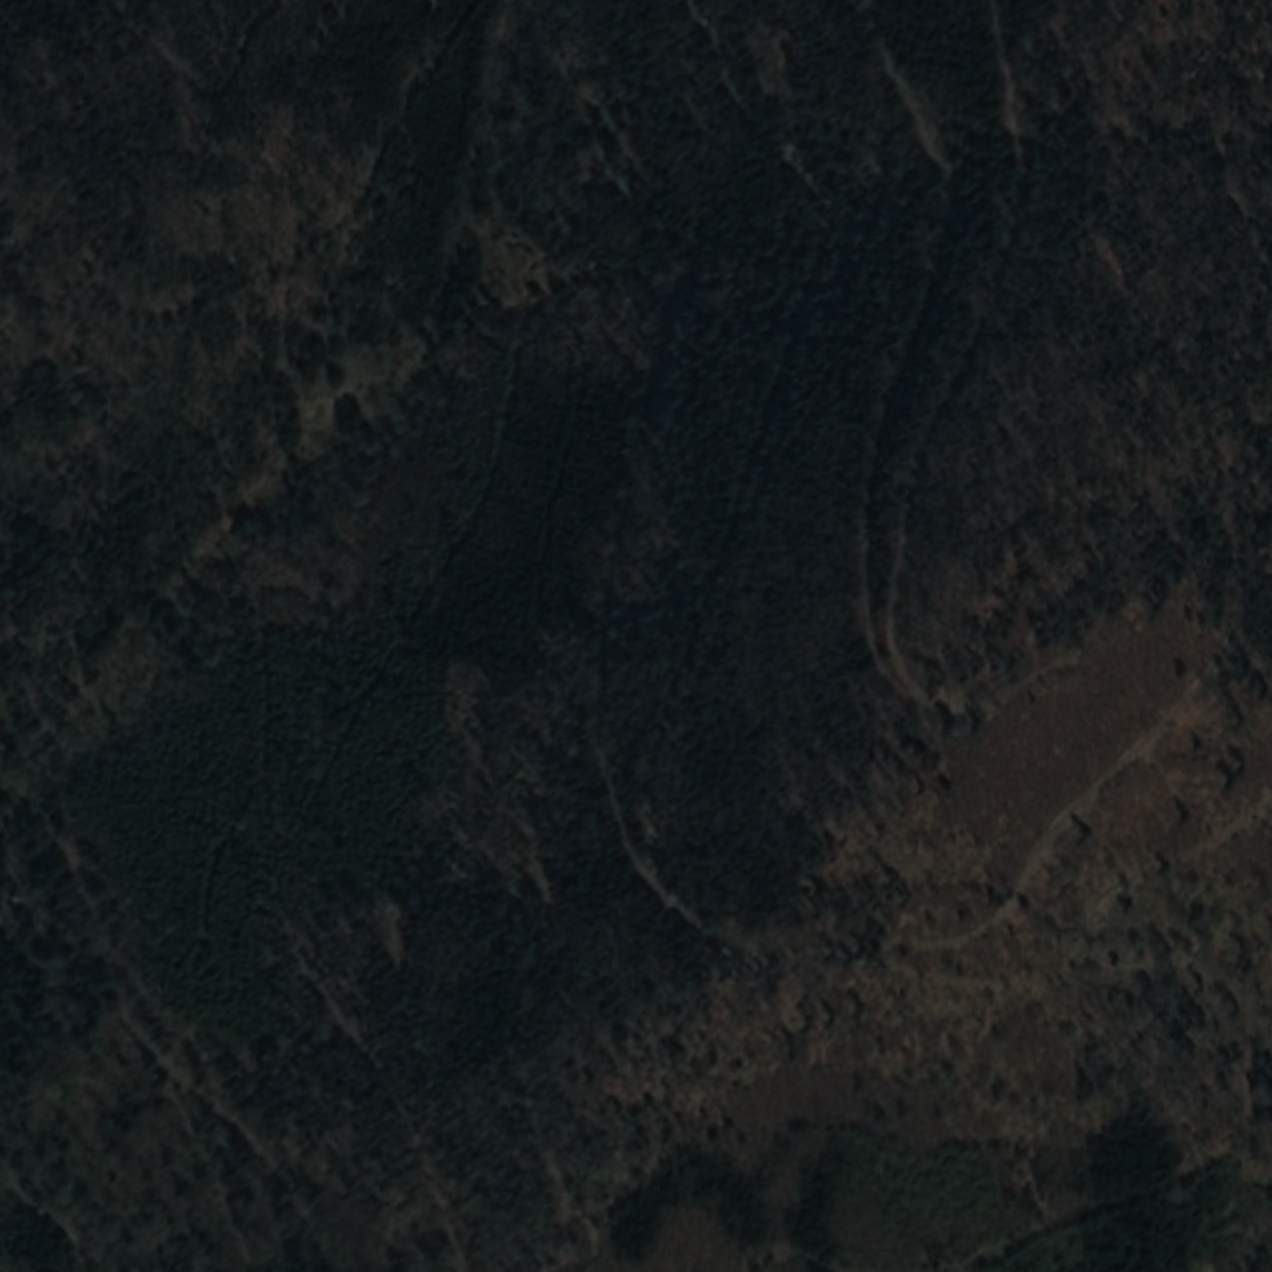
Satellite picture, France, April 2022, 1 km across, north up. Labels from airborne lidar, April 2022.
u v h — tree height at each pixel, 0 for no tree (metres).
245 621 10
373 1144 25
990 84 21
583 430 9
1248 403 32
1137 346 22
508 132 23
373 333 20
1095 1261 14
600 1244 8
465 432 8
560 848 26
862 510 23
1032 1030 10
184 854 14
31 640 13
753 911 22
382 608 8
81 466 18
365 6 22
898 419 11
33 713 19
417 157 15
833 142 14
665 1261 20
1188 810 9
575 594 10
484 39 25
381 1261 12
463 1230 7
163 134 23
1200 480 23
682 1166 10
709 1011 21
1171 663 11
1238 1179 12
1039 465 27
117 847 11
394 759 12
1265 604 33
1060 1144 10
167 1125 10
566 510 9
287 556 9
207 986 12
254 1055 12
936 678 16
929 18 26
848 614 24
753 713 27
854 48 20
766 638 22
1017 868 14
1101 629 15
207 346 26
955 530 23
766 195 27
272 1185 17
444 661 10
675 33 24
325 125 21
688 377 32
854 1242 15
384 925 28
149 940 21
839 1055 7
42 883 34
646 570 31
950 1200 15
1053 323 17
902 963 21
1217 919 19
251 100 23
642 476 16
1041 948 7
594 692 27
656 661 29
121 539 20
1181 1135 22
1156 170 28
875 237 35
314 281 12
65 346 13
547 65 24
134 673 24
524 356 8
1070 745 10
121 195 25
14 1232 21
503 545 8
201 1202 20
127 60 27
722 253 28
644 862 10
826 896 30
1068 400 28
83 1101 10
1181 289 28
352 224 18
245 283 19
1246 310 26
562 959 26
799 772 21
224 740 11
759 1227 16
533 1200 25
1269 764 11
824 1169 16
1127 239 22
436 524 8
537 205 26
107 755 14
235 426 19
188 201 14
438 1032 30
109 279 21
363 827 12
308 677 8
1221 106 28
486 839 27
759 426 32
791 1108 16
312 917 11
